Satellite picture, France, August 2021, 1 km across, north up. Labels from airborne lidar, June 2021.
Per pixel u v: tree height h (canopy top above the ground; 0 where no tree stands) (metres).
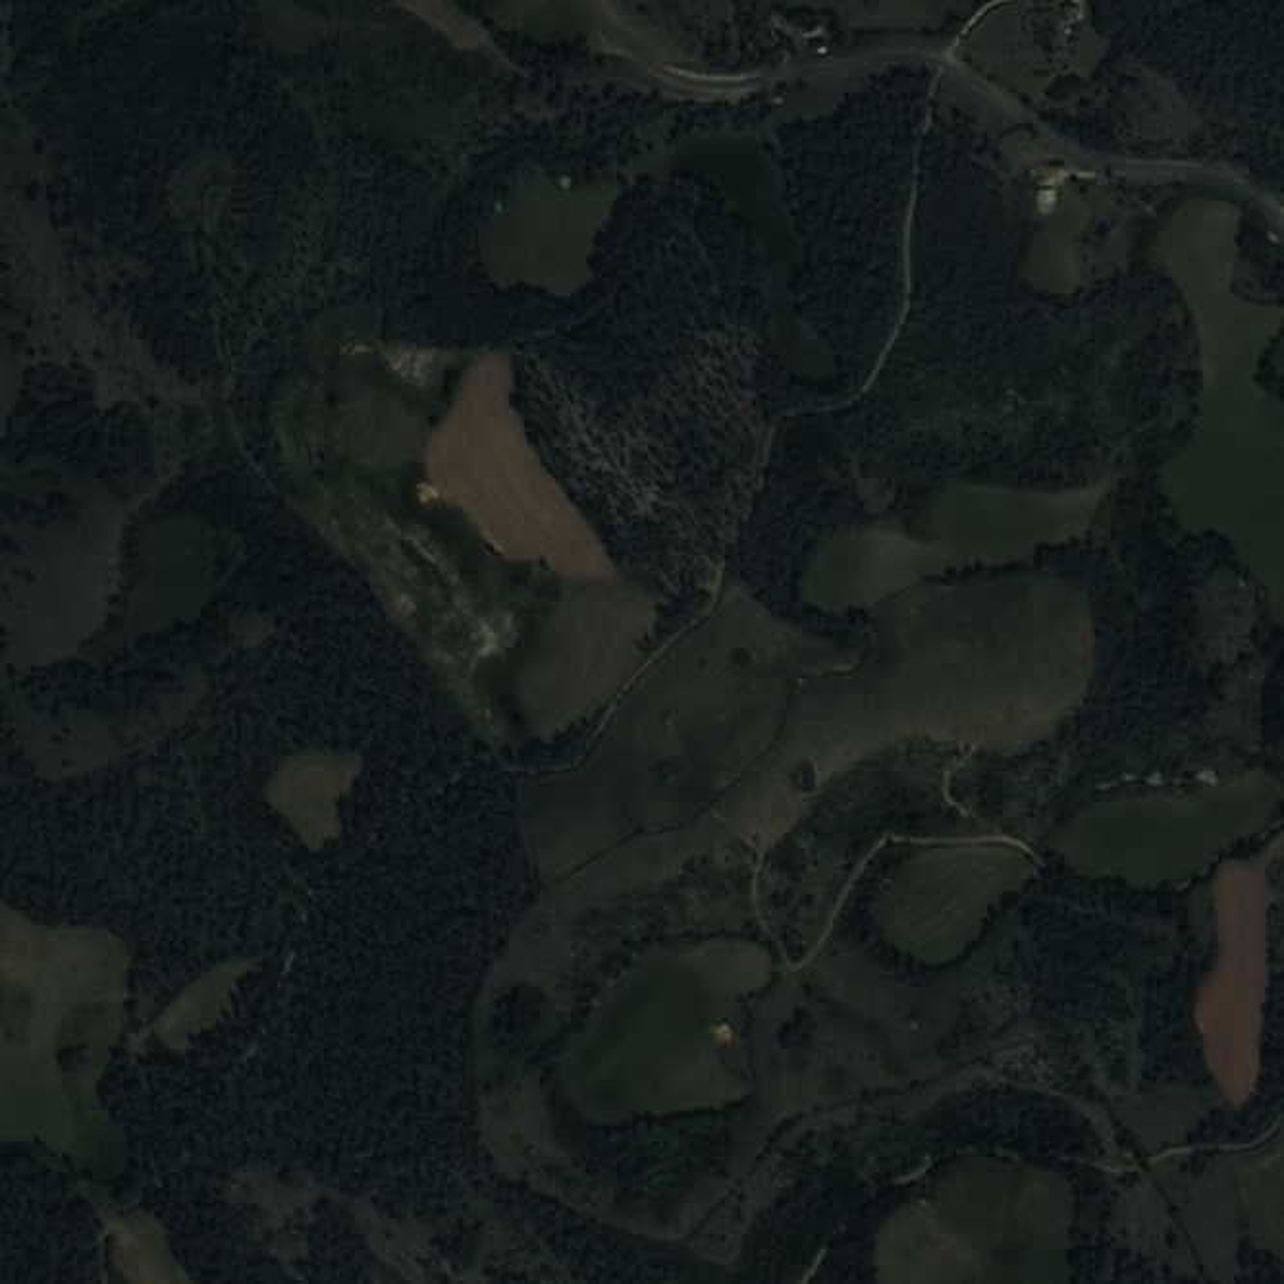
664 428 9
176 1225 14
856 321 9
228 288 10
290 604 13
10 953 0
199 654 12
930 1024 0
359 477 0
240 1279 7
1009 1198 0
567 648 0
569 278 0
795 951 9
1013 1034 0
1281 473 0
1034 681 0
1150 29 10
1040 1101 13
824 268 13
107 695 13
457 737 11
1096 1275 11
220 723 7
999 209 10
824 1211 10
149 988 14
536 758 15
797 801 0
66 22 13
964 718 0
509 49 10
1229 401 0
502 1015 6
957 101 0
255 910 10
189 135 9
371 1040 15
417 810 14
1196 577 6
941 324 7
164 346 9
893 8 0
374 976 15
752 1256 11
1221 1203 0
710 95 0
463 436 0
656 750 0
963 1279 0
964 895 0
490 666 0
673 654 0
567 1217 9
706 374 12
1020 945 8
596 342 18
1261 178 13
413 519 0
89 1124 0
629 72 0
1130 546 6
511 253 0
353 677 11
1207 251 0
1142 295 9
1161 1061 8
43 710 8
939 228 8
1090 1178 9
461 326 14
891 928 0
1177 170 0
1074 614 0
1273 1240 0
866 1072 0
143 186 12
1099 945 6
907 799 7
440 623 0
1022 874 0
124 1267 0
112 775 6
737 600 0
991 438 7
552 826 0
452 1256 12
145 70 9
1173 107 0
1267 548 0
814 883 0
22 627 0
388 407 0
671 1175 10
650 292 14
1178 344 8
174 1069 15
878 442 8
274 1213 0
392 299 16
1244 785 0
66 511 9
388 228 12
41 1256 18
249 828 17
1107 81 10
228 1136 16
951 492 0
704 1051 0
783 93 9
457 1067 14
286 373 19
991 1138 8
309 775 0
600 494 19
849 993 0
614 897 0
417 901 19
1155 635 9
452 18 0
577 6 0
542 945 0
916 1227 0
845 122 12
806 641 0
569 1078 0
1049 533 0
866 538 0
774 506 12
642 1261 6
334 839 0
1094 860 0
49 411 9
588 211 0
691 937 7
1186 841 0
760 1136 0
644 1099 0
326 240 10
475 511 0
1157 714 9
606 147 15
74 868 17
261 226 15
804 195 12
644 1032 0
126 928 11
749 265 20
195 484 7
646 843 0
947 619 0
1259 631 9
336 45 7
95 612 0
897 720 0
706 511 8
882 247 6
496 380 0
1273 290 15
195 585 0
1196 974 13
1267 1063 13
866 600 0
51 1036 0
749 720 0
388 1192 12
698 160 0
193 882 8
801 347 0
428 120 0
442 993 15
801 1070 0
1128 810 0
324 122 11
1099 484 0
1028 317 9
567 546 0
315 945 15
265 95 16
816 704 0
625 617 0
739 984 0
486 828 16
